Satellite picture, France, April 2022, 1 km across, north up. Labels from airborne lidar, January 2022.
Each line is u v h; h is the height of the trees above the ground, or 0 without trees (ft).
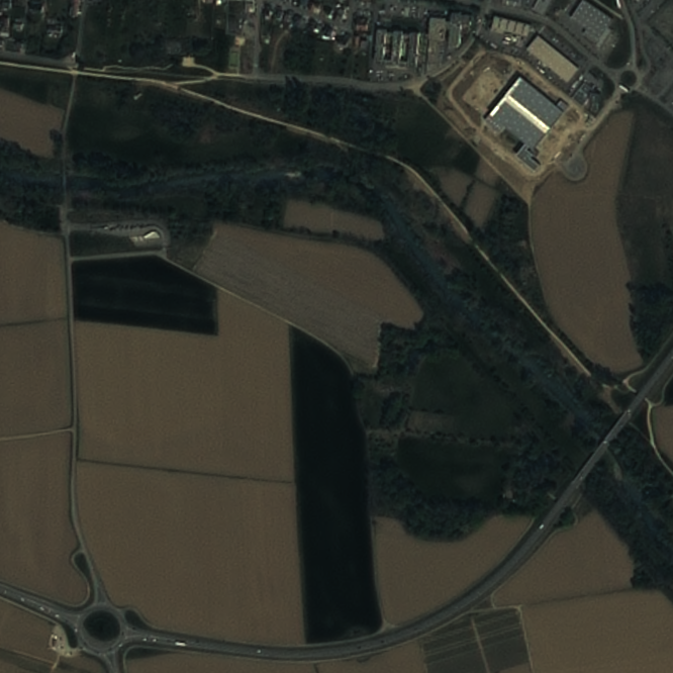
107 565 0
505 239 46
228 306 0
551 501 20
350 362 0
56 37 0
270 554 0
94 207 42
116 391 0
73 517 0
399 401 47
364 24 0
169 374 0
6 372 0
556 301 0
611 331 0
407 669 0
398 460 0
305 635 0
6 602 0
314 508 0
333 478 0
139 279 0
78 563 0
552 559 0
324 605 0
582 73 0
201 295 0
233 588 0
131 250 0
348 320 0
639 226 0
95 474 0
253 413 0
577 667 0
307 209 0
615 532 57
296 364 0
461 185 0
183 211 0
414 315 0
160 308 0
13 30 0
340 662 0
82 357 0
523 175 0
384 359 34
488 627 0
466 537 55
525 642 0
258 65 0
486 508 64
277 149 0
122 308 0
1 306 0
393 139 69
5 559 0
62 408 0
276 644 0
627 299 0
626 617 0
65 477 0
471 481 0
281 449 0
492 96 0
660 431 0
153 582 0
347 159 45
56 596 0
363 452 0
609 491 47
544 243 0
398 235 59
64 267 0
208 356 0
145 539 0
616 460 0
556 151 0
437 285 66
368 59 0
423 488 0
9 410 0
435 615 0
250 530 0
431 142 0
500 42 0
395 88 0
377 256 45
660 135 0
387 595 0
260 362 0
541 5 0
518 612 0
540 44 0
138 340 0
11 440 0
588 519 0
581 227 0
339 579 0
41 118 0
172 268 0
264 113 0
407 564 0
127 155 0
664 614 0
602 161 0
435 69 0
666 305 91
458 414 0
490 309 42
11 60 0
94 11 0
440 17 0
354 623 0
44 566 0
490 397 0
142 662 0
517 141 0
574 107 0
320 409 0
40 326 0
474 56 0
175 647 0
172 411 0
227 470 0
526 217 0
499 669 0
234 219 41
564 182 0
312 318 0
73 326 0
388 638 0
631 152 0
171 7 0
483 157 0
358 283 0
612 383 61
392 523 0
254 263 0
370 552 0
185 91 0
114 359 0
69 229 0
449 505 67
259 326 0
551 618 0
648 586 60
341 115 111
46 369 0
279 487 0
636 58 0
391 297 0
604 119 0
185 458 0
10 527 0
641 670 0
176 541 0
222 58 0
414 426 0
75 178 0
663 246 0
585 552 0
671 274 0
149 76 0
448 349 71
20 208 39
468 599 0
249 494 0
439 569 0
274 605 0
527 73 0
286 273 0
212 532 0
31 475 0
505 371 0
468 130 0
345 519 0
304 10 0
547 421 0
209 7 0
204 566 0
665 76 0
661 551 63
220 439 0
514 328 69
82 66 65
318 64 0
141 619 0
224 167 28
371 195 92
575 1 0
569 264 0
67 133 0
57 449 0
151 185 44
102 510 0
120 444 0
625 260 0
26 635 0
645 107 0
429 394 0
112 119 0
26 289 0
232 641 0
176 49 0
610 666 0
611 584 0
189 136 73
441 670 0
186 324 0
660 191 0
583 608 0
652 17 0
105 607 0
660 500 107
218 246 0
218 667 0
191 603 0
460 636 0
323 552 0
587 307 0
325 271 0
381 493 71
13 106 0
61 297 0
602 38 0
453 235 68
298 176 0
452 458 0
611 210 0
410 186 0
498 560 0
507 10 0
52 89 0
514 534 0
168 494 0
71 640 0
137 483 0
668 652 0
